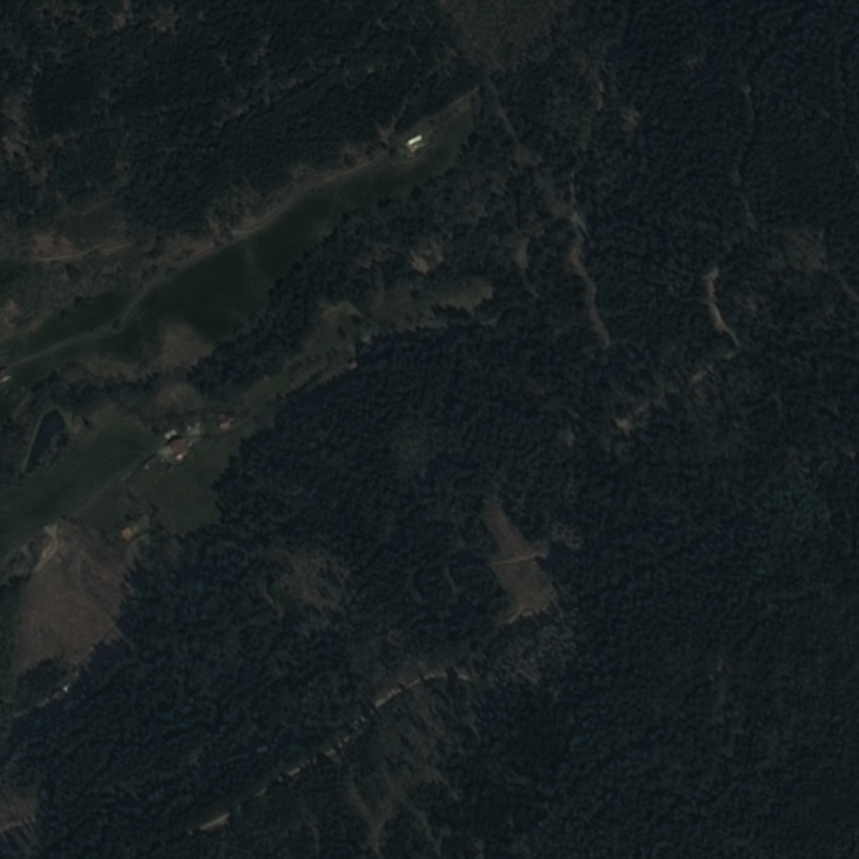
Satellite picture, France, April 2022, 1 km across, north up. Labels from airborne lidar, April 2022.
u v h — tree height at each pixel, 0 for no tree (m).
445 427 13
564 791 29
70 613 0
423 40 18
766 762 19
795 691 15
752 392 24
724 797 21
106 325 0
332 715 19
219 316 0
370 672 26
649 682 26
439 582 29
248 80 22
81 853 22
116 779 29
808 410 23
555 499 13
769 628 16
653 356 17
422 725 21
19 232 22
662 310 14
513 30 10
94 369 0
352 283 15
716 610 25
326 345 0
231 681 21
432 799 7
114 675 28
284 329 21
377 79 14
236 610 28
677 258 31
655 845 19
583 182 10
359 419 27
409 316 0
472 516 21
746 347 25
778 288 13
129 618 0
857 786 15
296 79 18
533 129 26
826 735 14
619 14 8
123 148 23
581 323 14
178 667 27
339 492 23
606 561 25
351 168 14
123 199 25
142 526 0
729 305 20
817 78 30
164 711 17
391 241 11
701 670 26
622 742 29
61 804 31
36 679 13
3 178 24
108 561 0
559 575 21
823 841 12
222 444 0
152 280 24
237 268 0
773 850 12
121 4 23
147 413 0
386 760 0
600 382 24
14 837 0
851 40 28
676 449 18
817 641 8
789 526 14
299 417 23
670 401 17
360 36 16
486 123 21
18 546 0
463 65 19
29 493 0
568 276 11
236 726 19
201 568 5
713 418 18
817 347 14
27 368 0
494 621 27
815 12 10
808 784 17
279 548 33
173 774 26
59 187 17
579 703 24
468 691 26
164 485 0
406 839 8
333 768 15
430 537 28
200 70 20
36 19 12
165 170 15
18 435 13
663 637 24
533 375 14
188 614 26
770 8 29
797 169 25
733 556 25
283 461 19
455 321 22
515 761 10
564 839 30
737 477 14
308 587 0
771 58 21
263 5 23
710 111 24
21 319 10
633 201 31
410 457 12
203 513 0
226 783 22
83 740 27
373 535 20
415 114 18
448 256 9
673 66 24
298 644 26
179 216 27
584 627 23
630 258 14
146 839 22
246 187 26
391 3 18
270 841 12
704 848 20
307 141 21
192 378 12
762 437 20
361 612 30
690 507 12
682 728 20
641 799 22
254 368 23
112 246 0
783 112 28
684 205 25
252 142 21
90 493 0
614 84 23
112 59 19
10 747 12
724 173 24
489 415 28
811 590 20
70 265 6
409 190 0
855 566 19
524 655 24
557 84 9
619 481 14
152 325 0
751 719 11
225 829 8
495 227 9
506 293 23
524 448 28
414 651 29
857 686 14
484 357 11
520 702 28
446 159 0
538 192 18
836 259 27
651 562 25
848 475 18
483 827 17
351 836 7
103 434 0
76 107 18
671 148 26
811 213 27
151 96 18
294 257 0
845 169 24
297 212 0
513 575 0
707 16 26
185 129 26
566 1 10
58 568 0
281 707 29
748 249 15
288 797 8
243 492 19
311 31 16
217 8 19
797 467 12
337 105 24
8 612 16
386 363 26
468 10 10
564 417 6
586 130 7
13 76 17
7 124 20
